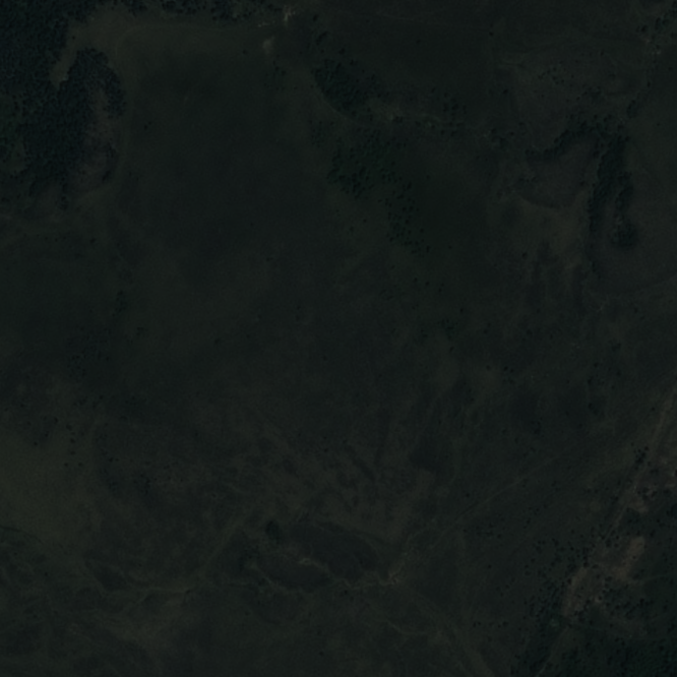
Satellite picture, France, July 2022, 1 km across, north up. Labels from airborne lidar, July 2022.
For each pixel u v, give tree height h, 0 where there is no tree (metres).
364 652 0
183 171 0
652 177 0
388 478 0
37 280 0
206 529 0
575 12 0
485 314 0
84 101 6
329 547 0
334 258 0
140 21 0
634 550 0
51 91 7
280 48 0
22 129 9
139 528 0
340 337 0
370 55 0
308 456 0
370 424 0
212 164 0
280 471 0
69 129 8
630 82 0
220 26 0
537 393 0
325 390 0
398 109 0
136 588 0
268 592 0
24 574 0
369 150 6
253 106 0
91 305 0
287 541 0
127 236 0
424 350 0
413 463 0
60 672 0
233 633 0
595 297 0
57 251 0
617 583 0
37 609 0
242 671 0
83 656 0
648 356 0
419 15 0
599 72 0
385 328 0
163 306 0
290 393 0
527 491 0
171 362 0
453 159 0
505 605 0
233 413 0
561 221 0
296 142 0
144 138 0
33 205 0
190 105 0
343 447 0
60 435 0
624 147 8
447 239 0
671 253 0
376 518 0
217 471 0
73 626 0
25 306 0
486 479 0
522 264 0
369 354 0
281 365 0
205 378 0
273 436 0
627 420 0
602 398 0
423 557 0
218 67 0
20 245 0
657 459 0
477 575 0
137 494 0
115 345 0
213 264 0
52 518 0
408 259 0
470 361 0
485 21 0
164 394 0
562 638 0
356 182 8
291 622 0
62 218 0
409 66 0
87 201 0
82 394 0
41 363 0
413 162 0
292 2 0
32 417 0
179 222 0
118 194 0
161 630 0
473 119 0
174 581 0
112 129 0
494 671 0
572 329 0
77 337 0
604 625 0
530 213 0
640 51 0
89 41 0
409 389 0
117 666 0
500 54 0
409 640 0
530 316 0
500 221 0
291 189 0
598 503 0
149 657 0
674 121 0
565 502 0
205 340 0
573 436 0
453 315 0
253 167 0
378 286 0
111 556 0
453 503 0
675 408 0
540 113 0
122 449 0
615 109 0
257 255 0
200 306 0
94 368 0
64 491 0
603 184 7
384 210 0
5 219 0
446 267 0
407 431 0
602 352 0
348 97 9
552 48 0
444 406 0
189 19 0
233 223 0
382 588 0
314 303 0
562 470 0
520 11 0
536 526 0
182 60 0
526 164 0
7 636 0
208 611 0
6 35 7
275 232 0
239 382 0
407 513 0
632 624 0
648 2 0
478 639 0
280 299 0
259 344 0
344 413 0
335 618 0
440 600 0
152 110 0
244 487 0
